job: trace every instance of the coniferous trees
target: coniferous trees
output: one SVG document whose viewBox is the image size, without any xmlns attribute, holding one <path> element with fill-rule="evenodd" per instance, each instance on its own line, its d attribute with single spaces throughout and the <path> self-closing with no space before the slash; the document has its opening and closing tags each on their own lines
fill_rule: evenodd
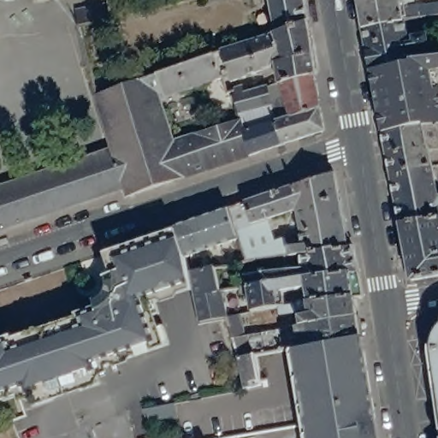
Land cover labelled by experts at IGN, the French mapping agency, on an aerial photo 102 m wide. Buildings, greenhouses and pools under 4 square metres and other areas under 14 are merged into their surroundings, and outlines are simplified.
<svg viewBox="0 0 438 438">
<path fill-rule="evenodd" d="M 171 48 L 144 48 L 137 58 L 118 56 L 116 62 L 106 60 L 104 63 L 99 62 L 98 58 L 92 65 L 96 79 L 128 77 L 145 77 L 161 68 L 185 62 L 210 51 L 205 46 L 204 39 L 195 34 L 188 34 Z"/>
<path fill-rule="evenodd" d="M 94 46 L 98 50 L 113 48 L 115 44 L 125 41 L 121 34 L 120 22 L 127 21 L 128 15 L 132 14 L 130 10 L 125 9 L 127 0 L 106 0 L 108 10 L 113 14 L 108 26 L 99 29 L 92 29 L 89 26 L 86 34 L 94 38 Z"/>
</svg>

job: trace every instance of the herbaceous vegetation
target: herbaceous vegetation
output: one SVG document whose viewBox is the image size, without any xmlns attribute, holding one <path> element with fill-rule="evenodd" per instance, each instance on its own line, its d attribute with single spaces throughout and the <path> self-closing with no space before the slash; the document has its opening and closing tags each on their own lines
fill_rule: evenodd
<svg viewBox="0 0 438 438">
<path fill-rule="evenodd" d="M 289 337 L 294 332 L 293 325 L 296 320 L 291 313 L 281 315 L 277 310 L 270 310 L 253 313 L 252 318 L 241 320 L 245 325 L 245 334 L 258 334 L 277 328 L 279 335 L 275 337 L 275 342 L 281 347 L 289 346 Z"/>
<path fill-rule="evenodd" d="M 221 287 L 224 287 L 229 287 L 228 265 L 212 267 L 214 282 L 221 281 Z"/>
<path fill-rule="evenodd" d="M 152 14 L 132 14 L 128 15 L 127 21 L 120 22 L 121 34 L 125 41 L 115 44 L 113 48 L 98 50 L 98 58 L 99 62 L 104 63 L 106 60 L 116 62 L 118 56 L 137 58 L 144 48 L 171 48 L 188 34 L 195 34 L 204 39 L 205 46 L 210 51 L 216 51 L 219 46 L 236 39 L 250 38 L 272 31 L 265 19 L 265 14 L 269 10 L 263 7 L 263 0 L 178 0 L 176 3 L 164 5 Z"/>
<path fill-rule="evenodd" d="M 405 21 L 405 29 L 412 33 L 414 38 L 424 33 L 438 41 L 438 15 Z"/>
<path fill-rule="evenodd" d="M 104 91 L 108 87 L 127 82 L 128 77 L 96 79 L 96 91 Z"/>
</svg>

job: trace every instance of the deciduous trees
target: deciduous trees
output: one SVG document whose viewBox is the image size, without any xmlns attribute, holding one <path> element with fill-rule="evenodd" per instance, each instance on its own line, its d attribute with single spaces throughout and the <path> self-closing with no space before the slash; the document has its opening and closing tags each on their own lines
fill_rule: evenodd
<svg viewBox="0 0 438 438">
<path fill-rule="evenodd" d="M 142 417 L 144 429 L 140 433 L 144 438 L 188 438 L 188 431 L 183 428 L 183 424 L 178 423 L 173 417 L 163 419 L 145 416 Z"/>
<path fill-rule="evenodd" d="M 82 265 L 74 260 L 65 265 L 67 282 L 72 282 L 75 286 L 86 286 L 89 277 L 77 272 Z"/>
<path fill-rule="evenodd" d="M 229 287 L 241 286 L 241 281 L 241 269 L 248 262 L 243 257 L 228 265 Z"/>
<path fill-rule="evenodd" d="M 130 10 L 132 14 L 152 14 L 164 5 L 176 3 L 178 0 L 127 0 L 125 9 Z"/>
<path fill-rule="evenodd" d="M 17 424 L 12 419 L 21 416 L 22 412 L 15 405 L 0 411 L 0 438 L 21 438 Z"/>
<path fill-rule="evenodd" d="M 188 125 L 212 123 L 212 127 L 221 125 L 219 118 L 224 116 L 228 108 L 222 108 L 221 103 L 214 108 L 198 106 L 197 111 L 192 113 L 192 120 L 188 121 Z"/>
<path fill-rule="evenodd" d="M 67 115 L 65 108 L 58 108 L 53 115 L 34 120 L 33 133 L 27 135 L 27 142 L 22 142 L 21 133 L 9 130 L 0 132 L 0 173 L 9 173 L 10 176 L 21 180 L 24 176 L 43 173 L 44 169 L 63 173 L 84 163 L 86 151 L 87 144 L 96 140 L 96 133 L 92 132 L 94 120 L 89 115 L 86 118 L 74 118 Z"/>
<path fill-rule="evenodd" d="M 198 394 L 202 397 L 224 392 L 243 395 L 246 390 L 238 376 L 236 356 L 231 356 L 222 352 L 216 363 L 209 364 L 209 370 L 212 371 L 210 383 L 200 385 Z"/>
</svg>

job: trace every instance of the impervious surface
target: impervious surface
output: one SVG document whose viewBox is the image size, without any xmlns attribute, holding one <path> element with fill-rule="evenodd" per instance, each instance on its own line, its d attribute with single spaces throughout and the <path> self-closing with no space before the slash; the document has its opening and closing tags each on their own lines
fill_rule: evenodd
<svg viewBox="0 0 438 438">
<path fill-rule="evenodd" d="M 224 287 L 222 301 L 226 308 L 229 308 L 229 317 L 246 311 L 246 298 L 241 286 L 229 287 Z"/>
<path fill-rule="evenodd" d="M 258 269 L 284 267 L 298 262 L 296 257 L 267 257 L 248 262 L 241 269 L 241 281 L 262 281 L 258 277 Z"/>
<path fill-rule="evenodd" d="M 94 98 L 96 91 L 96 79 L 92 65 L 87 63 L 87 67 L 82 67 L 80 63 L 80 48 L 84 48 L 86 34 L 89 26 L 89 22 L 75 22 L 72 15 L 74 3 L 82 0 L 0 0 L 0 132 L 9 130 L 21 133 L 22 142 L 27 142 L 27 135 L 33 133 L 34 120 L 53 115 L 58 108 L 65 108 L 67 115 L 74 118 L 86 118 L 89 115 L 94 120 L 92 132 L 96 133 L 96 140 L 87 144 L 86 151 L 98 151 L 106 147 L 106 140 L 103 140 L 104 130 L 99 123 Z"/>
<path fill-rule="evenodd" d="M 80 210 L 77 214 L 60 216 L 53 222 L 41 222 L 31 231 L 24 231 L 15 236 L 0 234 L 0 335 L 14 334 L 24 328 L 67 317 L 72 310 L 84 310 L 84 306 L 89 305 L 89 299 L 98 296 L 99 291 L 103 289 L 99 274 L 103 270 L 101 250 L 106 246 L 135 238 L 140 234 L 151 233 L 154 229 L 166 228 L 175 222 L 200 216 L 219 207 L 240 204 L 243 198 L 250 197 L 253 193 L 265 192 L 277 186 L 330 171 L 334 175 L 342 231 L 351 234 L 349 250 L 352 262 L 346 263 L 344 267 L 347 270 L 347 289 L 356 291 L 359 287 L 358 296 L 352 298 L 352 306 L 359 308 L 361 313 L 361 339 L 366 342 L 366 352 L 361 356 L 376 438 L 438 438 L 438 429 L 435 426 L 424 346 L 431 328 L 438 322 L 438 281 L 429 279 L 417 281 L 417 286 L 411 284 L 414 274 L 402 267 L 397 255 L 395 243 L 399 243 L 399 238 L 395 224 L 402 217 L 395 214 L 394 202 L 387 200 L 392 192 L 383 176 L 382 156 L 378 151 L 380 135 L 376 135 L 368 103 L 368 98 L 371 98 L 371 87 L 370 82 L 364 82 L 363 63 L 356 39 L 354 19 L 358 19 L 358 15 L 354 0 L 301 0 L 303 7 L 294 9 L 291 14 L 303 14 L 305 17 L 311 60 L 317 62 L 318 72 L 325 75 L 330 84 L 330 94 L 323 98 L 325 132 L 303 139 L 298 144 L 282 145 L 279 140 L 277 144 L 250 152 L 243 159 L 207 169 L 197 175 L 181 175 L 171 180 L 157 181 L 135 192 L 127 193 L 125 198 L 109 198 L 99 202 L 92 210 Z M 75 286 L 72 282 L 67 282 L 65 265 L 74 260 L 82 265 L 77 272 L 89 277 L 86 286 Z"/>
<path fill-rule="evenodd" d="M 293 228 L 291 219 L 293 210 L 286 209 L 270 214 L 270 228 L 274 229 L 274 238 L 282 238 L 284 243 L 298 243 L 298 228 Z"/>
<path fill-rule="evenodd" d="M 301 313 L 305 308 L 303 294 L 296 289 L 284 294 L 284 301 Z"/>
<path fill-rule="evenodd" d="M 212 80 L 209 91 L 210 98 L 221 103 L 222 108 L 228 108 L 231 108 L 231 96 L 219 77 Z"/>
<path fill-rule="evenodd" d="M 228 265 L 243 257 L 240 234 L 238 229 L 231 226 L 231 240 L 212 243 L 207 252 L 200 252 L 195 257 L 188 258 L 186 262 L 188 269 L 198 269 L 207 265 L 212 267 Z"/>
<path fill-rule="evenodd" d="M 181 99 L 173 101 L 176 118 L 188 121 L 192 120 L 192 113 L 190 106 L 181 103 Z"/>
<path fill-rule="evenodd" d="M 248 89 L 260 84 L 274 84 L 275 80 L 281 79 L 281 75 L 274 70 L 265 77 L 257 75 L 243 79 L 243 87 Z"/>
<path fill-rule="evenodd" d="M 209 364 L 216 363 L 222 352 L 231 356 L 234 349 L 222 342 L 219 325 L 200 327 L 200 320 L 193 310 L 190 294 L 181 293 L 159 301 L 156 310 L 145 313 L 144 323 L 147 325 L 147 332 L 151 334 L 151 340 L 140 340 L 133 346 L 120 347 L 115 352 L 108 352 L 106 356 L 98 356 L 92 359 L 89 370 L 77 368 L 48 382 L 38 382 L 34 390 L 31 387 L 22 390 L 19 385 L 0 388 L 0 411 L 15 405 L 22 412 L 21 416 L 12 419 L 17 424 L 21 438 L 144 438 L 140 433 L 144 429 L 142 417 L 145 416 L 145 407 L 163 405 L 164 400 L 166 404 L 175 404 L 173 417 L 178 423 L 183 424 L 183 428 L 188 431 L 188 438 L 301 438 L 286 354 L 258 359 L 260 376 L 265 378 L 262 382 L 263 388 L 246 390 L 243 395 L 224 392 L 202 397 L 198 394 L 200 385 L 210 383 L 212 371 L 209 370 Z"/>
</svg>

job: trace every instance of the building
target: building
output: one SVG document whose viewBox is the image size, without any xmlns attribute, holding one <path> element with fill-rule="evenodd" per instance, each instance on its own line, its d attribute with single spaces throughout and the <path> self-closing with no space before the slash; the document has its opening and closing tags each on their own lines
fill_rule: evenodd
<svg viewBox="0 0 438 438">
<path fill-rule="evenodd" d="M 99 29 L 108 26 L 113 14 L 108 10 L 106 0 L 82 0 L 74 3 L 72 15 L 75 22 L 89 22 L 89 26 L 92 29 Z"/>
<path fill-rule="evenodd" d="M 263 0 L 263 7 L 269 10 L 265 14 L 265 19 L 272 31 L 250 38 L 236 39 L 219 46 L 216 51 L 210 51 L 185 62 L 161 68 L 145 77 L 128 77 L 127 82 L 108 87 L 104 91 L 96 91 L 94 98 L 99 123 L 104 130 L 103 140 L 106 140 L 106 147 L 98 151 L 86 151 L 84 163 L 63 173 L 44 169 L 43 173 L 24 176 L 21 180 L 10 176 L 9 173 L 0 173 L 0 234 L 15 236 L 24 231 L 31 231 L 41 222 L 53 222 L 60 216 L 77 214 L 80 210 L 92 210 L 99 202 L 109 198 L 125 198 L 127 193 L 135 192 L 157 181 L 171 180 L 181 175 L 197 175 L 207 169 L 243 159 L 250 152 L 277 144 L 279 140 L 282 145 L 298 144 L 303 139 L 325 132 L 323 98 L 330 94 L 330 84 L 325 75 L 318 72 L 317 62 L 311 60 L 305 17 L 303 14 L 291 14 L 294 9 L 303 7 L 301 0 Z M 243 87 L 243 79 L 257 75 L 265 77 L 274 70 L 281 75 L 281 79 L 275 80 L 274 84 L 260 84 L 248 89 Z M 161 101 L 173 101 L 181 99 L 195 89 L 209 91 L 212 80 L 219 77 L 231 96 L 231 108 L 228 108 L 224 116 L 219 118 L 221 125 L 212 127 L 202 128 L 197 132 L 169 132 Z"/>
<path fill-rule="evenodd" d="M 438 322 L 431 328 L 424 346 L 435 426 L 438 429 Z"/>
<path fill-rule="evenodd" d="M 368 103 L 376 135 L 380 135 L 378 151 L 382 156 L 383 176 L 392 192 L 387 200 L 394 202 L 395 214 L 402 217 L 395 224 L 399 238 L 399 243 L 395 243 L 397 255 L 402 267 L 414 274 L 411 284 L 417 286 L 417 281 L 429 279 L 438 281 L 438 41 L 424 33 L 414 38 L 412 33 L 405 29 L 405 21 L 438 15 L 438 0 L 354 0 L 358 15 L 358 19 L 354 19 L 356 39 L 363 63 L 364 82 L 370 82 L 371 87 L 371 98 L 368 98 Z"/>
<path fill-rule="evenodd" d="M 286 209 L 293 210 L 291 219 L 293 228 L 298 228 L 298 243 L 284 243 L 282 238 L 274 238 L 274 229 L 270 228 L 270 214 Z M 231 226 L 238 229 L 240 234 L 243 257 L 248 262 L 267 257 L 296 257 L 298 262 L 284 267 L 258 269 L 258 277 L 262 281 L 241 281 L 241 286 L 246 298 L 246 311 L 229 317 L 229 308 L 226 308 L 222 301 L 224 287 L 221 287 L 221 281 L 214 282 L 212 267 L 207 265 L 198 269 L 188 269 L 186 262 L 188 258 L 195 257 L 200 252 L 207 252 L 212 243 L 231 240 Z M 133 346 L 140 340 L 151 340 L 151 334 L 147 332 L 147 325 L 144 323 L 145 313 L 156 310 L 159 301 L 181 293 L 190 294 L 193 310 L 200 320 L 200 327 L 219 325 L 222 342 L 234 349 L 231 356 L 236 356 L 238 376 L 246 390 L 263 388 L 262 382 L 265 378 L 260 376 L 258 359 L 286 354 L 301 438 L 376 438 L 361 356 L 366 352 L 366 342 L 361 339 L 361 313 L 359 308 L 352 306 L 352 298 L 358 296 L 359 287 L 356 291 L 347 289 L 347 270 L 344 267 L 346 263 L 352 262 L 349 250 L 351 234 L 342 231 L 334 175 L 330 171 L 277 186 L 265 192 L 253 193 L 250 197 L 243 198 L 240 204 L 219 207 L 200 216 L 175 222 L 166 228 L 154 229 L 151 233 L 140 234 L 135 238 L 106 246 L 101 250 L 103 270 L 99 274 L 103 289 L 99 291 L 98 296 L 89 299 L 89 305 L 84 306 L 84 310 L 72 310 L 67 317 L 24 328 L 14 334 L 0 335 L 0 388 L 19 385 L 22 390 L 31 387 L 34 390 L 38 382 L 48 382 L 77 368 L 89 370 L 92 359 L 98 356 L 106 356 L 108 352 L 115 352 L 120 347 Z M 296 289 L 303 294 L 305 308 L 301 313 L 284 301 L 284 294 Z M 245 325 L 241 320 L 252 318 L 253 313 L 270 310 L 277 310 L 281 315 L 291 313 L 296 320 L 293 325 L 294 332 L 289 337 L 289 346 L 281 347 L 275 342 L 275 337 L 279 335 L 277 328 L 258 334 L 245 334 Z"/>
<path fill-rule="evenodd" d="M 163 405 L 145 407 L 145 416 L 163 419 L 173 417 L 175 404 L 166 404 L 164 400 Z"/>
</svg>

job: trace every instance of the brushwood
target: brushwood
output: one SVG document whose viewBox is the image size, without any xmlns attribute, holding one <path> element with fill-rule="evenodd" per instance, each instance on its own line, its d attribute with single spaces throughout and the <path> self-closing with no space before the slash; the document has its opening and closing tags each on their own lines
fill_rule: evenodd
<svg viewBox="0 0 438 438">
<path fill-rule="evenodd" d="M 197 111 L 198 106 L 214 108 L 221 103 L 210 98 L 209 91 L 195 89 L 181 99 L 181 103 L 190 106 L 192 113 Z"/>
<path fill-rule="evenodd" d="M 197 132 L 202 128 L 212 127 L 212 123 L 188 125 L 188 121 L 176 118 L 173 101 L 161 101 L 169 132 Z"/>
<path fill-rule="evenodd" d="M 82 67 L 87 67 L 87 63 L 92 65 L 98 58 L 98 50 L 94 46 L 94 38 L 86 34 L 84 48 L 80 48 L 80 63 Z"/>
</svg>

